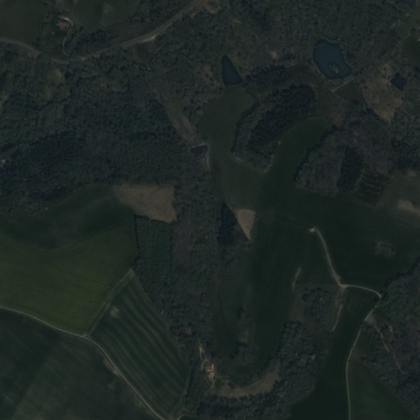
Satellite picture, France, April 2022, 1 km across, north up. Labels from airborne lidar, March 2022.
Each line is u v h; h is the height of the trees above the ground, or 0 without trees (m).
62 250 0
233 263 18
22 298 0
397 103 0
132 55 0
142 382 0
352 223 0
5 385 0
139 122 19
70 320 0
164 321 0
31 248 0
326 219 0
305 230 0
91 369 0
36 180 27
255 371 0
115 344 0
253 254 0
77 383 0
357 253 0
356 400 0
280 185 0
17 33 0
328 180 28
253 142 13
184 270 30
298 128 0
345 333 0
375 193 0
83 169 28
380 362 26
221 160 0
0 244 0
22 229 0
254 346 0
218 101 0
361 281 0
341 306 0
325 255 0
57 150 28
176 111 0
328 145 24
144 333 0
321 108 0
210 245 23
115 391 0
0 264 0
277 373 0
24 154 27
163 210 0
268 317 0
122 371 0
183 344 18
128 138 19
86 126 20
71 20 0
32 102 24
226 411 18
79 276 0
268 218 0
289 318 0
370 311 0
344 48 20
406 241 0
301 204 0
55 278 0
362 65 18
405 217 0
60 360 0
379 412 0
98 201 0
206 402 21
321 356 11
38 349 0
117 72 27
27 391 0
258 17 20
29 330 0
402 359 35
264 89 27
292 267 0
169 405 0
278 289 0
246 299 0
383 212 0
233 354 0
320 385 0
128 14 0
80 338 0
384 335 16
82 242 0
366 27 15
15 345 0
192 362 15
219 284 0
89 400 0
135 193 0
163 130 23
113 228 0
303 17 12
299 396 18
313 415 0
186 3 28
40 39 6
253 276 0
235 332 0
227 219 15
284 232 0
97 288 0
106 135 19
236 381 0
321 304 16
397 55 6
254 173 0
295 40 15
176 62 11
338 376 0
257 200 0
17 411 0
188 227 34
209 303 26
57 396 0
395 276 0
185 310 11
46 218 0
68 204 0
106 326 0
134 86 18
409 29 0
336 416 0
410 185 0
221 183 0
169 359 0
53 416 0
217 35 18
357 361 0
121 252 0
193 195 22
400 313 25
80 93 19
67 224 0
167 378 0
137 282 0
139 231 17
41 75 16
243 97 0
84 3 0
